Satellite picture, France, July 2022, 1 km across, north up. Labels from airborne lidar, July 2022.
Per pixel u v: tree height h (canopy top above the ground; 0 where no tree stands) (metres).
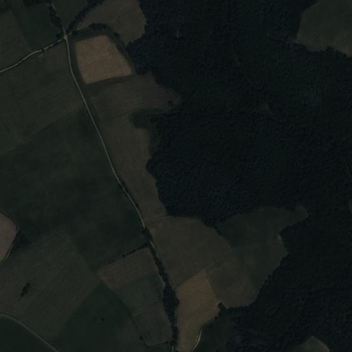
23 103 0
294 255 21
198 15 24
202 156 19
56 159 0
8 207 0
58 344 0
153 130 0
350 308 28
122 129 0
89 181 0
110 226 0
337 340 21
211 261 0
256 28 14
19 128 0
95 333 0
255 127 20
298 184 22
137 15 0
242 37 15
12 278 0
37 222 0
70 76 0
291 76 18
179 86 23
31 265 0
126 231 0
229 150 27
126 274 0
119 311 0
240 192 20
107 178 0
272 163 14
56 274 0
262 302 19
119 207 0
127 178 0
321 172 23
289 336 16
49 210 0
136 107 0
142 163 0
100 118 0
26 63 0
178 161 25
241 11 19
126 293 0
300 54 10
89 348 0
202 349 0
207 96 13
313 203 25
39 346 0
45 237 0
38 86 0
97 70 0
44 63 0
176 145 21
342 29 0
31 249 0
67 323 0
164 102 0
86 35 0
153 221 0
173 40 20
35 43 0
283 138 24
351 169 23
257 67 15
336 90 23
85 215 0
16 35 0
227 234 0
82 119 0
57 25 14
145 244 8
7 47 0
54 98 0
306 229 24
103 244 0
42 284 0
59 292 0
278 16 14
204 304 0
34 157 0
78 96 0
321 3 0
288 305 26
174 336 13
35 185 0
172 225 0
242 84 22
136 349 0
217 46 27
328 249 19
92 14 0
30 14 0
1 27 0
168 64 26
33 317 0
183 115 26
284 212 0
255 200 23
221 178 27
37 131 0
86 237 0
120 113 0
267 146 18
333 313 28
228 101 11
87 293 0
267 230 0
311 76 15
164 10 18
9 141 0
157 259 12
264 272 0
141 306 0
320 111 16
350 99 21
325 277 15
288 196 25
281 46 16
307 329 29
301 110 21
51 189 0
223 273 0
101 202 0
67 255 0
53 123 0
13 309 0
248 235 0
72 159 0
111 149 0
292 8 19
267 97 15
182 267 0
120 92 0
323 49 0
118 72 0
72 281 0
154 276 0
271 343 7
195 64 23
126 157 0
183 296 0
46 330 0
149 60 24
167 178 15
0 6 0
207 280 0
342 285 20
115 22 0
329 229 24
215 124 24
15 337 0
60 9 0
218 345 0
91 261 0
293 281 25
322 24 0
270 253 0
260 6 10
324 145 26
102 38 0
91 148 0
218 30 30
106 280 0
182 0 18
